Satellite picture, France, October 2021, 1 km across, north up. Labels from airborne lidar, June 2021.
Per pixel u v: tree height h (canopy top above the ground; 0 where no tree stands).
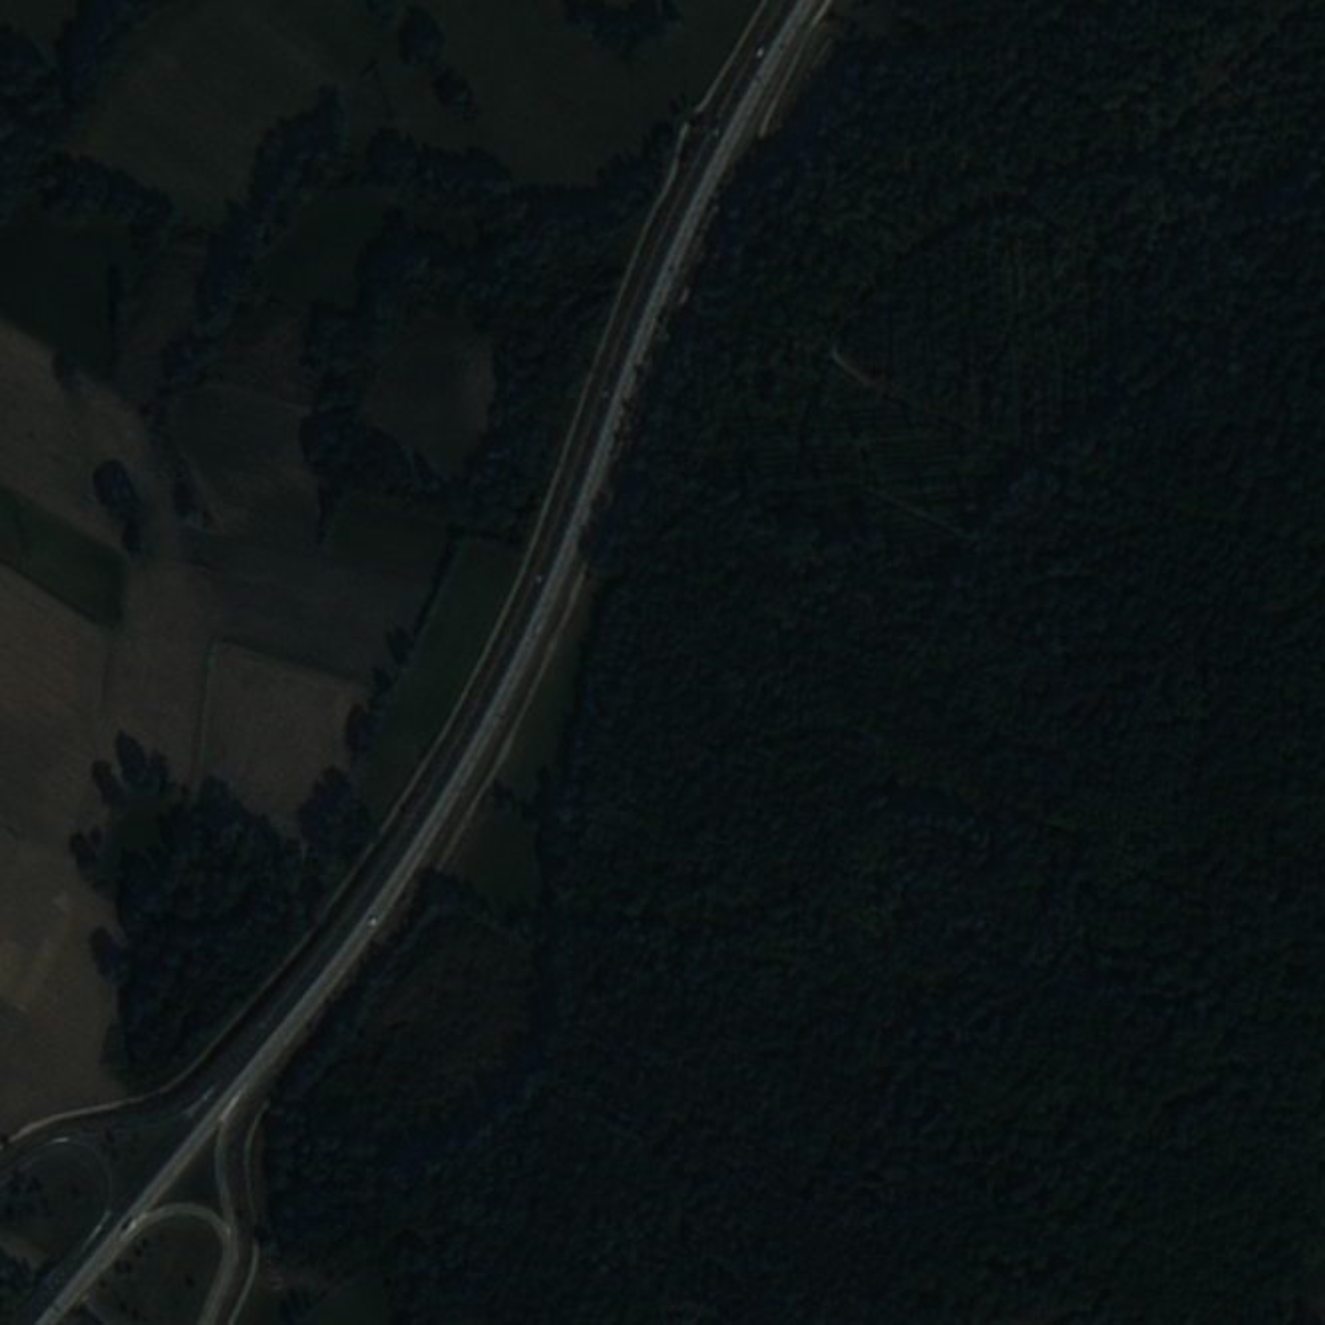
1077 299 7
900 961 26
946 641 22
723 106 0
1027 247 8
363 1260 17
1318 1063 26
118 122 0
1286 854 26
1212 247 26
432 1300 23
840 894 25
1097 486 21
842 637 22
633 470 15
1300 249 25
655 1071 21
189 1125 0
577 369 14
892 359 8
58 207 26
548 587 0
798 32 0
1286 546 20
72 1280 0
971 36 24
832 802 20
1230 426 20
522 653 0
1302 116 6
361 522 0
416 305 15
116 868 0
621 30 15
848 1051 26
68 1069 0
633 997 22
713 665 22
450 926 6
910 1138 30
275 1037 0
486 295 22
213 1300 0
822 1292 25
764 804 20
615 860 22
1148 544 22
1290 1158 25
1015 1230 25
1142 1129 24
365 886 0
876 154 20
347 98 0
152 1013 23
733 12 0
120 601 0
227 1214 0
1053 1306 23
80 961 0
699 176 0
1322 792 26
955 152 20
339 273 0
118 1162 8
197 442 0
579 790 16
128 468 0
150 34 0
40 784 0
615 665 18
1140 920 23
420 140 0
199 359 15
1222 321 26
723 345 10
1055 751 22
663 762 20
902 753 21
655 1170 23
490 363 0
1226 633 25
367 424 9
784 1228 23
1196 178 10
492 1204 15
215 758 0
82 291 0
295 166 21
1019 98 21
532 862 0
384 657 0
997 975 26
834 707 22
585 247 23
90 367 0
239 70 0
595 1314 23
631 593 20
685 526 22
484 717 0
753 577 21
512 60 0
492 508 20
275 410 0
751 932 24
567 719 0
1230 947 22
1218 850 26
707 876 21
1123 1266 25
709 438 20
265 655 0
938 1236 28
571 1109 22
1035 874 22
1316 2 18
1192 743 25
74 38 0
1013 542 19
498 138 0
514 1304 23
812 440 6
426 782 0
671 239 0
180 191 0
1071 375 6
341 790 13
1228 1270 24
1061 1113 18
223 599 0
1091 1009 26
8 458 0
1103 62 20
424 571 0
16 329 0
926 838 20
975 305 7
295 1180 10
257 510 0
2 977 0
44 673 0
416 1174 24
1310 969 24
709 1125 21
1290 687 26
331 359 18
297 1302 0
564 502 0
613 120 0
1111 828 30
